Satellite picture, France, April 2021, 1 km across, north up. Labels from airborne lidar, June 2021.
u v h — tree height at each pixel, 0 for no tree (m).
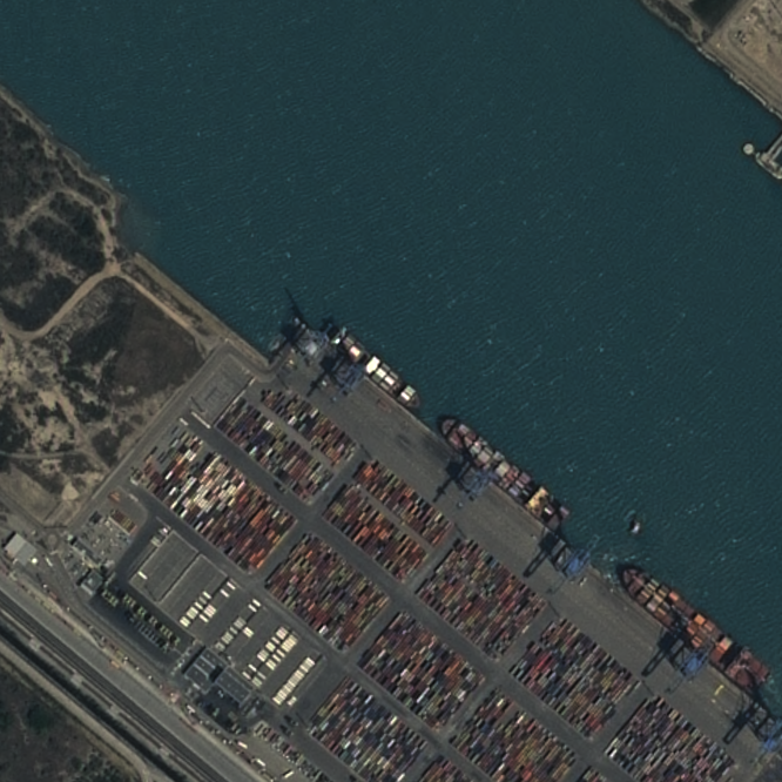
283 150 0
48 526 0
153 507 0
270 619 0
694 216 0
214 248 0
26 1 0
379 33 0
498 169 0
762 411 0
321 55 0
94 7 0
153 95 0
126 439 0
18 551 0
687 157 0
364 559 0
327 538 0
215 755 0
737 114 0
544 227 0
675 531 0
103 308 0
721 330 0
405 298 0
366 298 0
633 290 0
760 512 0
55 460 0
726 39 0
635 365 0
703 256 0
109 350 0
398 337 0
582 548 0
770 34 0
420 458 0
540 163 0
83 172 0
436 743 0
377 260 0
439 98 0
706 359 0
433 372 0
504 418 0
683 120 0
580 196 0
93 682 0
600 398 0
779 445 0
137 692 0
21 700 0
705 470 0
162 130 0
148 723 0
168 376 0
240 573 0
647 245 0
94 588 0
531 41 0
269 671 0
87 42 0
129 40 0
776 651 0
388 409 0
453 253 0
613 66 0
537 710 0
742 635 0
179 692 0
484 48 0
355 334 0
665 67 0
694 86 0
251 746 0
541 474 0
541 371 0
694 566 0
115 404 0
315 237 0
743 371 0
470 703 0
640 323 0
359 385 0
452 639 0
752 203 0
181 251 0
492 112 0
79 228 7
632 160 0
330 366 0
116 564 0
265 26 0
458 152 0
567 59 0
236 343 0
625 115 0
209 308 0
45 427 0
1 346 0
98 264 7
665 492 0
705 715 0
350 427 0
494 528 0
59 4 0
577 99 0
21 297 0
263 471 0
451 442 0
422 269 0
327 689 0
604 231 0
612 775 0
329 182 0
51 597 0
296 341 0
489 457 0
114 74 0
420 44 0
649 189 0
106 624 0
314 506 0
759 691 0
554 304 0
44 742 0
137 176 0
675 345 0
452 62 0
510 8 0
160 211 0
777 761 0
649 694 0
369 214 0
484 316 0
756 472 0
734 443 0
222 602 0
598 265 0
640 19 0
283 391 0
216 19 0
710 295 0
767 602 0
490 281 0
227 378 0
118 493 0
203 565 0
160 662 0
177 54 0
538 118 0
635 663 0
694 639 0
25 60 0
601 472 0
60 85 0
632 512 0
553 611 0
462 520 0
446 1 0
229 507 0
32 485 0
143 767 0
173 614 0
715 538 0
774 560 0
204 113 0
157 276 0
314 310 0
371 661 0
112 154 0
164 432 0
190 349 0
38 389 0
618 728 0
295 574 0
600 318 0
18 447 0
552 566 0
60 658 0
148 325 0
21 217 0
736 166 0
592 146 0
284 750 0
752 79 0
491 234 0
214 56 0
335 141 0
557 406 0
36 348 0
